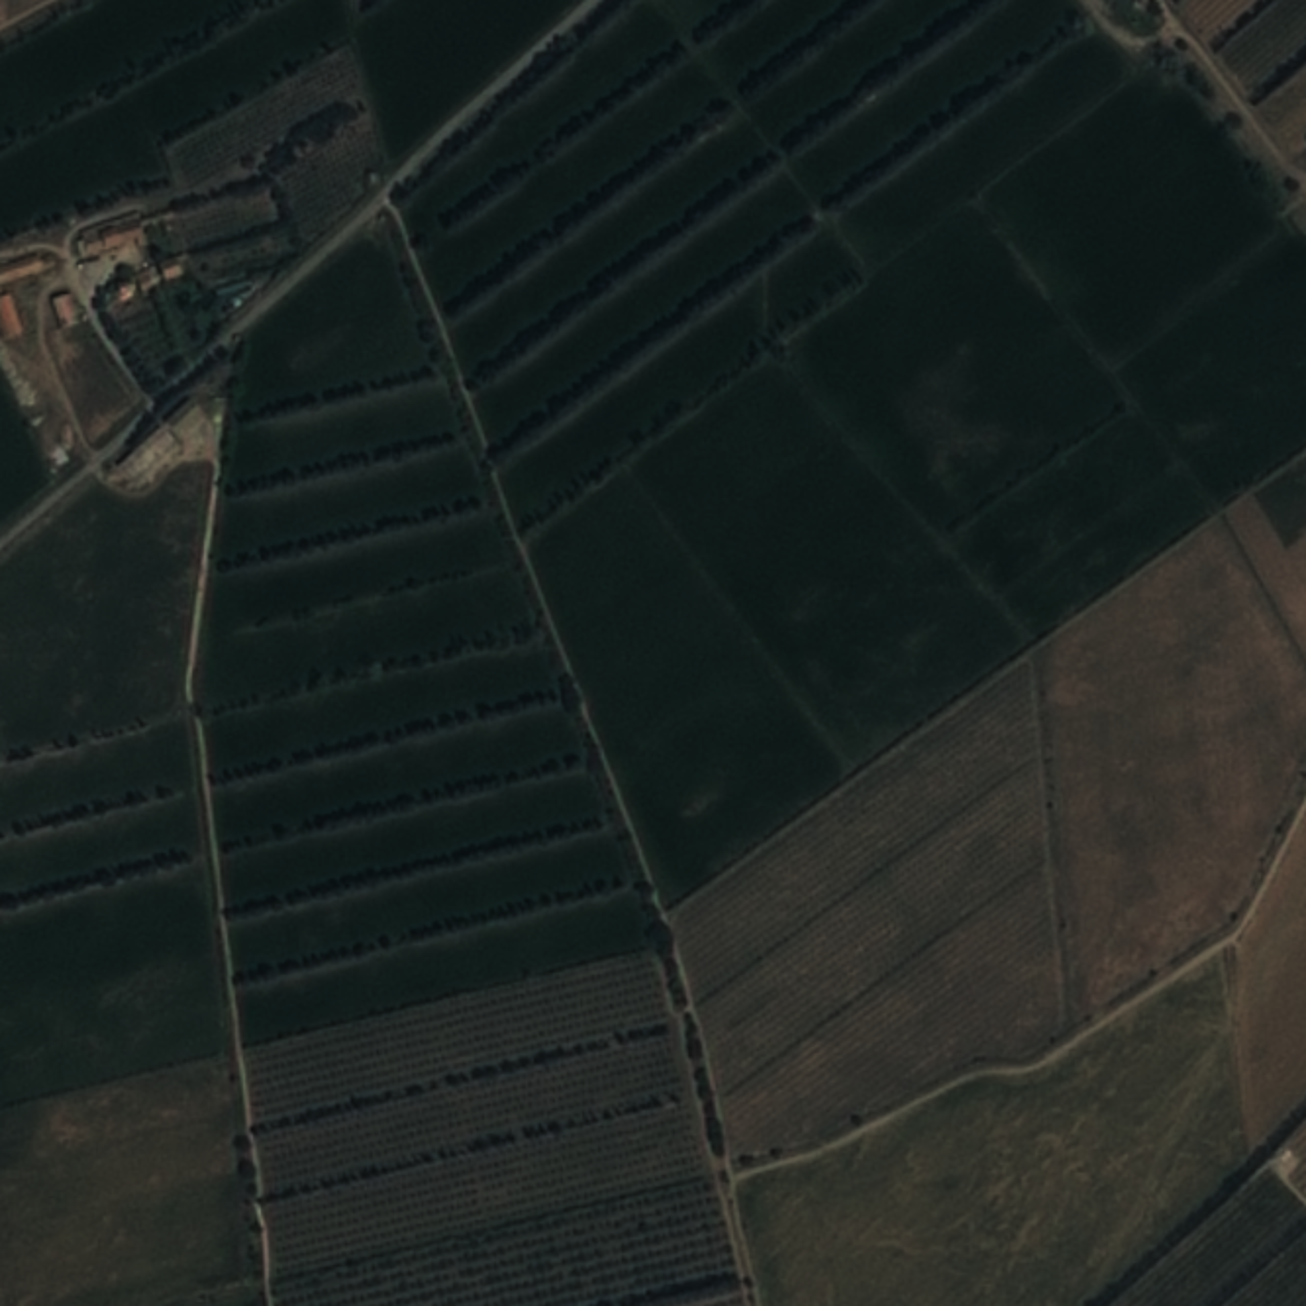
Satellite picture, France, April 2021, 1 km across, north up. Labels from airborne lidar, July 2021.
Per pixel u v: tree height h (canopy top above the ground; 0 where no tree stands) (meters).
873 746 0
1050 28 0
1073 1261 0
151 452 0
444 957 0
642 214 0
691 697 0
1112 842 0
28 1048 0
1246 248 0
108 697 0
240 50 0
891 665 0
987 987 0
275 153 6
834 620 0
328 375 0
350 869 0
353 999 0
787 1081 0
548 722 0
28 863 0
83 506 0
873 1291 0
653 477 0
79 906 0
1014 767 0
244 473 0
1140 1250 0
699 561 0
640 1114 9
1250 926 0
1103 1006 0
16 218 0
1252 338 0
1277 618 0
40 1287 0
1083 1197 0
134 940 0
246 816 0
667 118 0
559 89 0
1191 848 0
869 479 0
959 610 0
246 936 0
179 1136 0
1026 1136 0
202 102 0
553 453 0
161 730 0
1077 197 0
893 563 0
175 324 12
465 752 0
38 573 0
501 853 14
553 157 11
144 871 11
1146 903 0
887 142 0
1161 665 0
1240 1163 0
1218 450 0
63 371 0
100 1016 0
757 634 0
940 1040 0
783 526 0
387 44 0
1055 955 0
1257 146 0
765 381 0
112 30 0
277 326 0
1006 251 0
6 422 0
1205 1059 0
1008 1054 0
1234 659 0
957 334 0
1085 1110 0
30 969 0
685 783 0
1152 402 0
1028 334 0
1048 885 0
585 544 0
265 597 0
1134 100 0
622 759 0
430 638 0
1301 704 0
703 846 0
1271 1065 0
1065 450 8
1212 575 0
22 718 0
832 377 0
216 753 0
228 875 0
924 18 0
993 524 0
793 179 0
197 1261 0
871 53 0
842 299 16
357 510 0
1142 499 0
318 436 0
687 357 0
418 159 0
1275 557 0
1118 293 0
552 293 0
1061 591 0
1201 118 0
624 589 0
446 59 0
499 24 0
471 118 0
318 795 0
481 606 0
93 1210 0
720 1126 8
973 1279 0
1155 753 0
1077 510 0
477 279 0
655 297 0
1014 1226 0
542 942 0
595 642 0
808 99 0
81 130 0
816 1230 0
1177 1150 0
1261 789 0
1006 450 0
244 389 9
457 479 0
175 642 0
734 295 14
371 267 0
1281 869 0
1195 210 0
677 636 0
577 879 0
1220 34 0
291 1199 9
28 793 0
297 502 0
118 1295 0
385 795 0
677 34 0
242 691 0
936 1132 0
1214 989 0
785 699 0
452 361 7
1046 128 0
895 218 0
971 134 0
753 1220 0
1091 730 0
